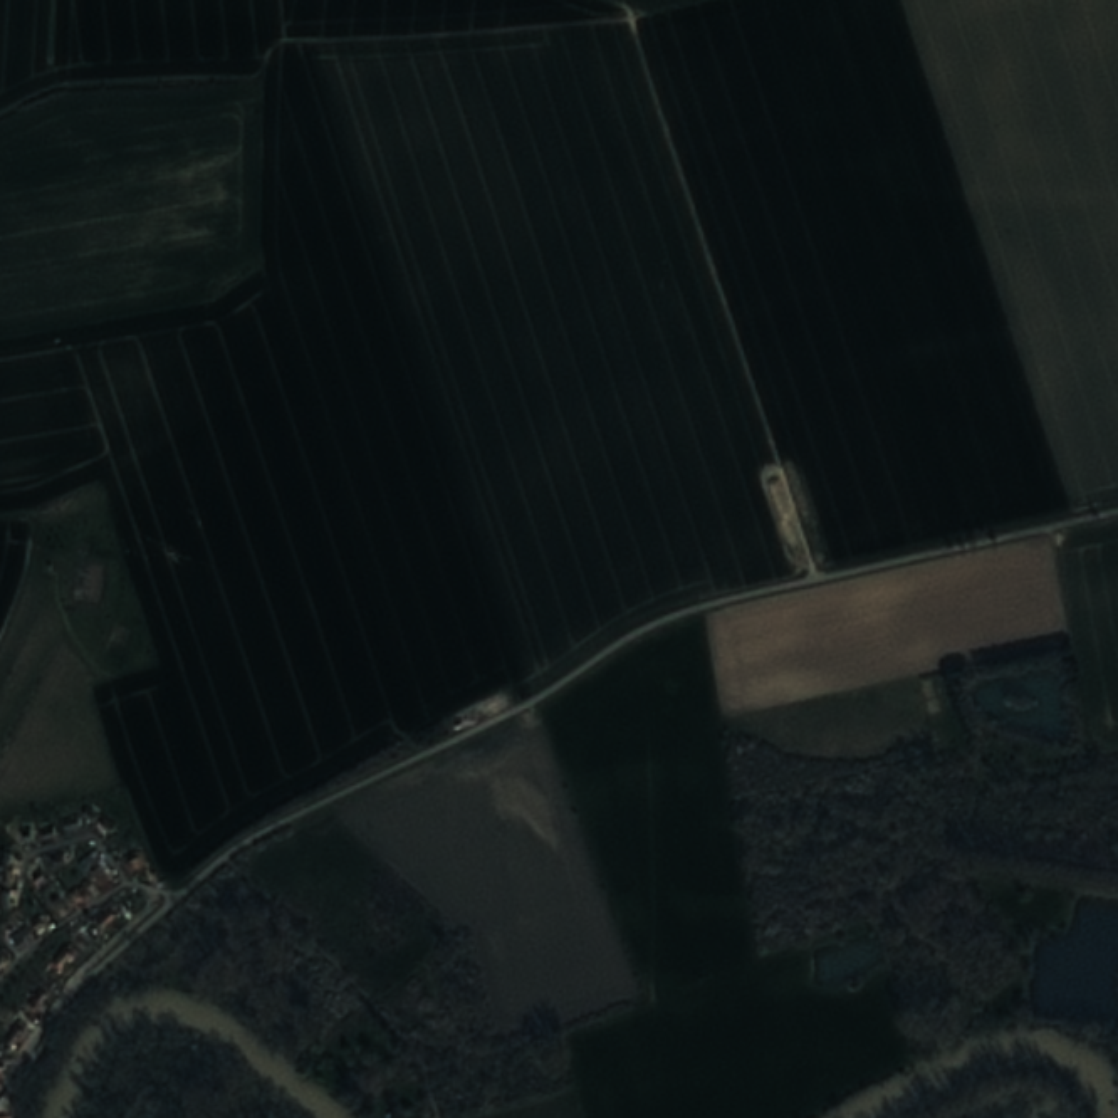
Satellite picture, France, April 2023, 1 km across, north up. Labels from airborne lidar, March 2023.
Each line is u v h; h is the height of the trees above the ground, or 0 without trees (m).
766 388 0
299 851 0
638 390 0
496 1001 0
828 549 0
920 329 0
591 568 0
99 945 0
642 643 0
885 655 0
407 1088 0
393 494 0
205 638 0
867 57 0
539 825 0
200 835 0
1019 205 0
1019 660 14
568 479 0
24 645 0
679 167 0
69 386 0
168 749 0
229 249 0
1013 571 0
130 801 0
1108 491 0
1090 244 0
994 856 37
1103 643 0
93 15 0
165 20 0
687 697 0
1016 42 0
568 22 0
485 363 0
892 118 0
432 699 0
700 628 0
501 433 0
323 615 0
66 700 0
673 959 0
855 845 22
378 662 0
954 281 0
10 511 0
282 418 0
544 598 0
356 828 0
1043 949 0
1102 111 0
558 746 0
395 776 0
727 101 0
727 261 0
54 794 0
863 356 0
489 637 0
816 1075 0
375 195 0
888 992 0
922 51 0
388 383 0
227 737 0
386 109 0
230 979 37
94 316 0
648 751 0
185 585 0
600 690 0
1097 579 0
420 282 0
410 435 0
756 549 0
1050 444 0
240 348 0
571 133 0
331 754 0
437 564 0
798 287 0
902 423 0
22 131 0
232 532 0
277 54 0
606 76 0
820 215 0
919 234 0
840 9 0
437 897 0
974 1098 22
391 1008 0
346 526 0
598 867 0
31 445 0
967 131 0
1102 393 0
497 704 0
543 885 0
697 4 0
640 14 0
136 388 0
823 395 0
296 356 0
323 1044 13
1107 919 0
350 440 0
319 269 0
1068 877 35
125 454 0
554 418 0
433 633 0
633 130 0
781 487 0
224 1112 35
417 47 0
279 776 0
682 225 0
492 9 0
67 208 0
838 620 0
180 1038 19
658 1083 0
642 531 0
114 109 0
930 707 0
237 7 0
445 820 0
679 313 0
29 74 0
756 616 0
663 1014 0
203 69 0
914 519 0
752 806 6
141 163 0
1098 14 0
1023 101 0
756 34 0
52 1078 18
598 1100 0
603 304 0
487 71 0
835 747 0
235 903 26
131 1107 25
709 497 0
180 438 0
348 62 0
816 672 0
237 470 0
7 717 0
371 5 0
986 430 0
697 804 0
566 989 0
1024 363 0
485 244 0
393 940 0
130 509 0
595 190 0
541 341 0
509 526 0
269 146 0
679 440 0
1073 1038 14
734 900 0
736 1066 0
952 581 0
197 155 0
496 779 0
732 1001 0
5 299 0
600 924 0
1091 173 0
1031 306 0
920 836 20
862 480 0
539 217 0
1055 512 0
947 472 0
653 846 0
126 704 0
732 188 0
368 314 0
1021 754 11
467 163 0
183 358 0
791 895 7
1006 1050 0
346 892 0
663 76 0
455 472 0
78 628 0
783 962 0
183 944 20
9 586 0
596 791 0
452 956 28
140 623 0
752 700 0
